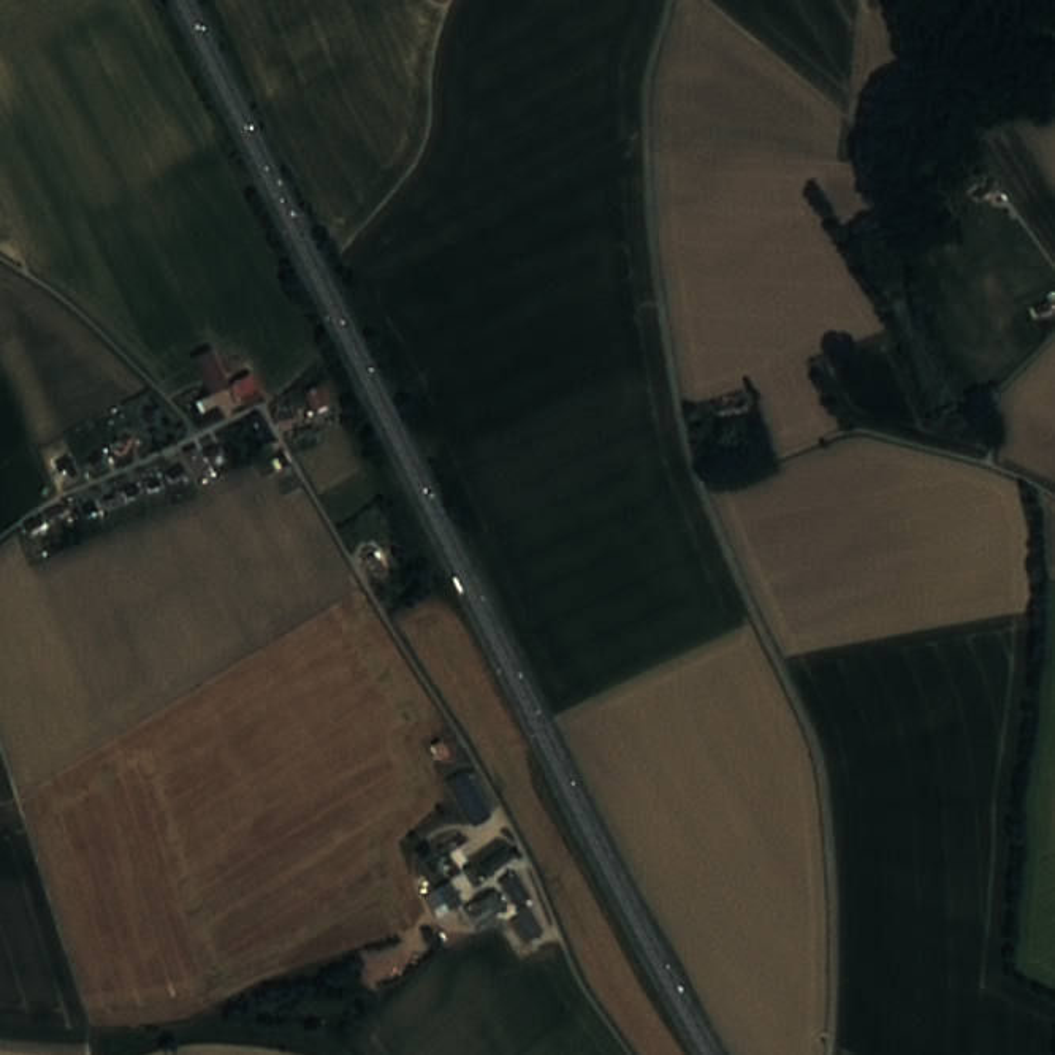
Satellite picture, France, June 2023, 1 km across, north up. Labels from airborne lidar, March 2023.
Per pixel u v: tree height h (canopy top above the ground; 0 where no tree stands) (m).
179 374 0
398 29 0
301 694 0
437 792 0
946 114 24
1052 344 0
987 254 0
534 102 0
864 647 0
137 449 0
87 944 0
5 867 0
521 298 0
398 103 0
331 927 0
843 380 0
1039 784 0
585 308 0
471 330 0
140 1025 0
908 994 0
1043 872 0
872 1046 0
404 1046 0
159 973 0
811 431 0
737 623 0
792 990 0
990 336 0
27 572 0
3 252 0
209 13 0
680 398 0
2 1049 0
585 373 0
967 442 0
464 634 0
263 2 0
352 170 0
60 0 0
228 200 0
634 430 0
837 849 0
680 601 0
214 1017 0
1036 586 14
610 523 0
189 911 0
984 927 0
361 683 0
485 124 0
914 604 0
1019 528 0
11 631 0
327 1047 0
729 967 0
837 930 0
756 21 0
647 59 0
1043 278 0
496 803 0
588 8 0
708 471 29
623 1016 0
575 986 0
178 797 0
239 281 0
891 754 0
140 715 0
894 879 0
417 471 0
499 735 0
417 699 0
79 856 0
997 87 24
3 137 0
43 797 0
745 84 0
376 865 0
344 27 0
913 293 15
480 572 0
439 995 0
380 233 0
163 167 0
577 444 0
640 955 0
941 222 23
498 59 0
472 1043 0
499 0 0
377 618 0
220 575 0
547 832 0
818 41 0
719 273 0
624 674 0
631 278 0
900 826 0
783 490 0
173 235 0
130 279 0
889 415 0
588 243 0
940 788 0
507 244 0
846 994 0
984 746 0
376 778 0
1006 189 0
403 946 0
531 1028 0
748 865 0
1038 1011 0
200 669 0
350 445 0
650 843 0
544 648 0
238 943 0
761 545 0
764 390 0
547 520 0
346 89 0
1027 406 0
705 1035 0
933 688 0
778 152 0
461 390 0
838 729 0
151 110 0
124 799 0
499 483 0
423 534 0
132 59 0
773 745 0
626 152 0
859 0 0
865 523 0
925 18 19
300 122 0
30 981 0
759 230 0
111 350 0
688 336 0
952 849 0
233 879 0
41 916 0
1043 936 0
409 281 0
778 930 0
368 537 0
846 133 0
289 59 0
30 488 0
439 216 0
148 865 0
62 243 0
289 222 0
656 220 0
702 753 0
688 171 0
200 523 0
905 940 0
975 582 0
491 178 0
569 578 0
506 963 0
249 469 0
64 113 0
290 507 0
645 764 0
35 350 0
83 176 0
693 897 0
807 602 0
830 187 0
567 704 0
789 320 0
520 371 0
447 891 0
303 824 0
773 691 0
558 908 0
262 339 0
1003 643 0
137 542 0
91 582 0
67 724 0
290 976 0
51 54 0
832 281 0
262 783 0
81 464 0
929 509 0
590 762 0
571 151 0
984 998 0
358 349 0
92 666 0
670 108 0
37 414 0
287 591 0
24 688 0
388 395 0
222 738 0
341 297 0
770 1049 0
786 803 0
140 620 0
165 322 0
